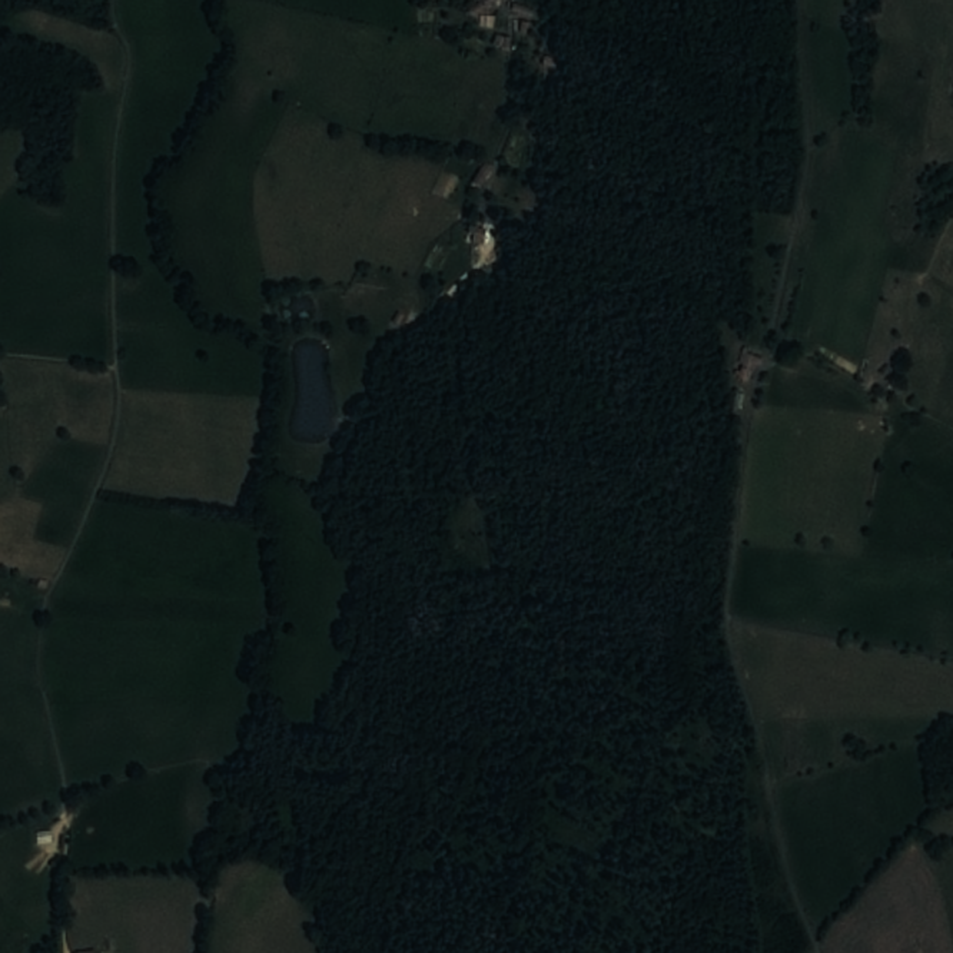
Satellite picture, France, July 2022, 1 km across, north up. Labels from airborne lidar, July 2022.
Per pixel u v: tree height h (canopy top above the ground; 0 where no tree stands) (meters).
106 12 12
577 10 15
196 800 0
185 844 0
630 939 24
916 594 0
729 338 0
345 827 15
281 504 0
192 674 0
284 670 0
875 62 10
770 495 0
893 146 0
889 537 0
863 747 14
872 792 0
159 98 0
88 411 0
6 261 0
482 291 18
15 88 23
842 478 0
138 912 0
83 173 0
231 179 0
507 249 19
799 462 0
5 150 0
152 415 0
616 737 24
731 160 16
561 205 19
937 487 0
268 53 0
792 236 0
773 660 0
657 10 17
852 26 11
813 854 0
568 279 11
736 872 16
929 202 9
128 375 0
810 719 0
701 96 18
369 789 19
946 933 0
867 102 10
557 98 24
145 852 0
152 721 0
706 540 14
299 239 0
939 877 0
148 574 0
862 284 0
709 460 12
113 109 0
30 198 17
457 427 21
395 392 23
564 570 18
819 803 0
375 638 18
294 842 6
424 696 26
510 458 29
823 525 0
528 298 16
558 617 23
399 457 12
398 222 0
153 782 0
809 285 0
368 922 15
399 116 0
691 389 16
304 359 0
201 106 19
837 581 0
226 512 24
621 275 7
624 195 24
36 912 0
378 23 0
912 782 0
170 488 0
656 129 16
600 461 19
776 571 0
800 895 0
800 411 0
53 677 0
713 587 10
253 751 28
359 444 23
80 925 0
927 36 0
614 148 15
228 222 0
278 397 22
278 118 0
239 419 0
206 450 0
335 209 0
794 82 17
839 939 0
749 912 14
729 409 6
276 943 0
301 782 35
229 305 0
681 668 18
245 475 0
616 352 21
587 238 18
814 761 0
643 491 20
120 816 0
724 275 16
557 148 21
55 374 0
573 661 17
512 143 0
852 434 0
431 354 26
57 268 0
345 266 0
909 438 0
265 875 0
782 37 19
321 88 0
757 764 6
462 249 0
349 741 24
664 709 26
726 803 15
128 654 0
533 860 27
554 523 15
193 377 0
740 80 15
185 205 0
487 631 28
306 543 0
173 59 0
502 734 21
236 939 0
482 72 0
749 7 13
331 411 0
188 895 0
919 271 0
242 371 0
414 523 22
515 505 7
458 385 14
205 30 0
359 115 0
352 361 0
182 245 0
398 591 16
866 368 0
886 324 0
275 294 22
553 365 16
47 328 0
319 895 18
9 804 0
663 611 23
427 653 23
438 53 0
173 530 0
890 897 0
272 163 0
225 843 6
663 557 7
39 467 0
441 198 0
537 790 15
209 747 0
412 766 20
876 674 0
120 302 0
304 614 0
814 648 0
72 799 21
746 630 0
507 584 22
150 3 0
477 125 0
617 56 30
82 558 0
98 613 0
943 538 0
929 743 18
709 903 12
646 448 18
